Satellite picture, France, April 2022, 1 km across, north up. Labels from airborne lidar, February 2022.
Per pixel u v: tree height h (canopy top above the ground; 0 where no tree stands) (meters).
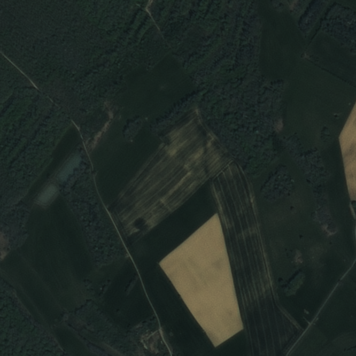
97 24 15
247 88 20
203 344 0
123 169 0
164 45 8
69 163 0
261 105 22
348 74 0
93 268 0
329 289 0
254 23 25
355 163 0
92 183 7
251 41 26
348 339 0
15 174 28
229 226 0
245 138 24
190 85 0
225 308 0
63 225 0
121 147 0
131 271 0
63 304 0
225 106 24
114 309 0
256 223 0
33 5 12
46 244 0
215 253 0
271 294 0
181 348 0
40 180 0
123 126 0
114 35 29
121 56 21
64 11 14
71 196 23
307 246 0
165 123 20
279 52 0
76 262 0
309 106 0
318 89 0
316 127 0
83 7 19
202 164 0
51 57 17
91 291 13
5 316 26
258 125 25
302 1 7
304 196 0
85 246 0
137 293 0
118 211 0
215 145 0
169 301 0
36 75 13
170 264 0
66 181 0
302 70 0
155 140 0
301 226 0
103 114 0
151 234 0
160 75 0
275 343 0
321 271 0
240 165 0
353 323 0
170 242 0
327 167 0
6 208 24
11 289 20
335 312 0
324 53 0
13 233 17
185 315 0
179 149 0
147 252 0
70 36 16
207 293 0
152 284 0
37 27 15
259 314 0
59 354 23
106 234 24
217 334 0
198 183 0
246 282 0
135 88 0
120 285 0
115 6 26
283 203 0
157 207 0
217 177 0
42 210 0
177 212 0
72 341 0
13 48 13
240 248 0
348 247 0
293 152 8
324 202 7
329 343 0
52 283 0
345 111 0
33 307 0
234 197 0
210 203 0
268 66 0
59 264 0
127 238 0
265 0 0
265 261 0
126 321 0
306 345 0
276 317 0
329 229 5
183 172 0
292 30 0
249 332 0
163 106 0
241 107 25
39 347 22
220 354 0
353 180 0
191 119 0
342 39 24
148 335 0
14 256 0
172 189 0
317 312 0
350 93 0
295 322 0
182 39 22
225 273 0
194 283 0
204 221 0
